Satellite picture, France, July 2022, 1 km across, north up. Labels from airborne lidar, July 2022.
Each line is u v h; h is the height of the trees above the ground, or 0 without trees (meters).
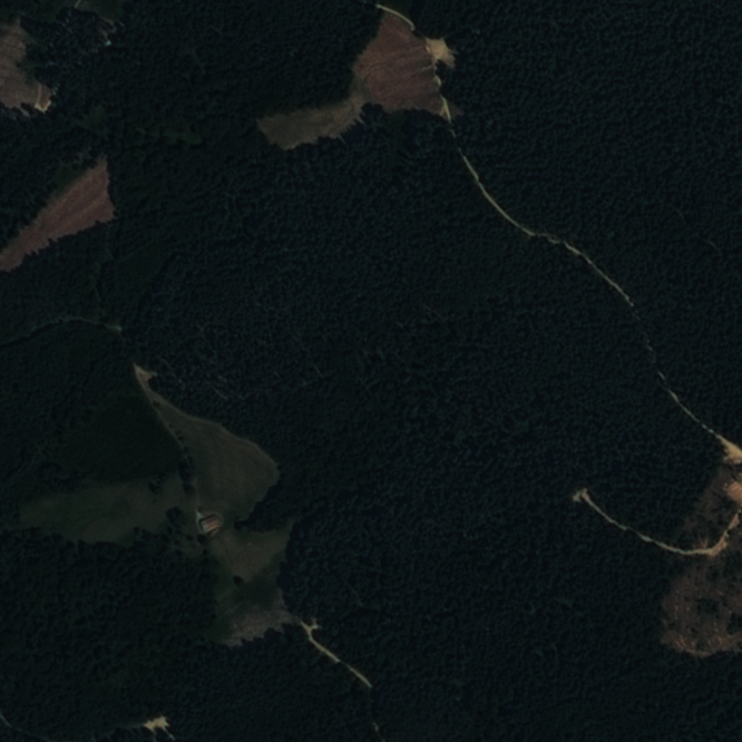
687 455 30
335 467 24
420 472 40
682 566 16
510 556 19
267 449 15
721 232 24
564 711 19
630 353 29
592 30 23
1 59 0
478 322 29
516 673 28
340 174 27
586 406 29
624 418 30
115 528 0
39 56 10
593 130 30
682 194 20
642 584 25
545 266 29
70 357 16
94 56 25
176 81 20
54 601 11
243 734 19
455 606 20
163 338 29
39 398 23
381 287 26
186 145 18
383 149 30
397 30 0
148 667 8
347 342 25
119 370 16
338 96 21
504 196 24
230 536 0
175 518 24
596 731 19
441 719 25
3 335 17
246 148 21
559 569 14
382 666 22
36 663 25
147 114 21
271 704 19
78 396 16
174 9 29
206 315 25
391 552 35
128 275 16
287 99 23
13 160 19
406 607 29
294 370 27
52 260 27
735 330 24
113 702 22
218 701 26
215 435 0
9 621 26
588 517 22
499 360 28
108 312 13
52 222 0
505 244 22
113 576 24
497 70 24
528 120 26
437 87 0
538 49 28
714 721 13
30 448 23
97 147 17
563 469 36
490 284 23
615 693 25
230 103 24
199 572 8
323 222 30
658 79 27
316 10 20
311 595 38
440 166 15
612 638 26
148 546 16
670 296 26
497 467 26
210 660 28
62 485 18
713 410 28
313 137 0
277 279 23
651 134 29
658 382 31
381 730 18
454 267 22
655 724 24
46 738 9
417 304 32
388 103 0
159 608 18
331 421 22
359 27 24
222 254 31
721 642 0
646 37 24
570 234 24
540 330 30
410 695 26
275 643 32
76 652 23
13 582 21
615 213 27
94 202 0
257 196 23
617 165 29
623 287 25
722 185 24
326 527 28
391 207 33
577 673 16
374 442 22
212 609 15
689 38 29
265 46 18
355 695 22
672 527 21
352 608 16
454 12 17
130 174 22
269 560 0
